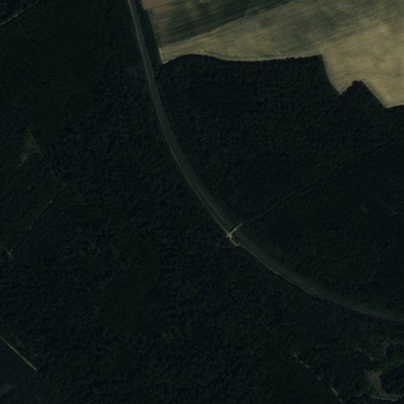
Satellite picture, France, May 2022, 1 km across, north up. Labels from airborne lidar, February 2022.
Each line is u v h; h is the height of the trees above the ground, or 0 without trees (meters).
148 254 13
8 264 27
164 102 16
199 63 21
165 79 19
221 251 21
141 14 14
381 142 14
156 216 24
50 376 25
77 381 27
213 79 17
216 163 24
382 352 24
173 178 24
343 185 16
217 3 0
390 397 0
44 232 12
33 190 12
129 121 29
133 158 28
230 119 18
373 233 17
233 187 17
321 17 0
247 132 22
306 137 18
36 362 8
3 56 9
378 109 20
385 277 17
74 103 11
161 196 24
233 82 16
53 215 12
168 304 14
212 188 21
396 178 14
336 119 24
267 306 28
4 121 13
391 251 14
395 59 0
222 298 24
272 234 17
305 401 10
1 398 0
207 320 19
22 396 18
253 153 21
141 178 32
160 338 28
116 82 26
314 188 16
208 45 0
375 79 0
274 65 19
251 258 18
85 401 28
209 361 24
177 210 27
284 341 26
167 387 31
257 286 26
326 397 8
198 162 19
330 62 0
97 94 28
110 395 29
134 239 6
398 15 0
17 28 8
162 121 0
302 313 13
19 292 29
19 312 28
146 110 20
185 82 22
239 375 26
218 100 18
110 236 26
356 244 23
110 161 31
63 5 13
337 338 22
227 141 22
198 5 0
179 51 0
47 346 28
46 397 6
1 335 12
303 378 9
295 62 23
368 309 0
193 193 19
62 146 28
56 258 25
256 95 20
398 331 15
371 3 0
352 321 15
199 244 24
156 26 0
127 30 14
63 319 28
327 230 19
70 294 25
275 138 23
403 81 0
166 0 0
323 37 0
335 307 16
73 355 26
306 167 18
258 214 20
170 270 29
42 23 7
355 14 0
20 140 13
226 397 27
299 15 0
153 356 27
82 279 8
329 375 29
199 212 22
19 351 15
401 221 16
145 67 0
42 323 30
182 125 13
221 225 0
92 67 19
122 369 7
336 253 24
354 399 21
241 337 26
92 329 25
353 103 22
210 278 28
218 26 0
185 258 26
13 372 19
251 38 0
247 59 0
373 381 0
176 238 22
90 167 30
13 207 13
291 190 17
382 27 0
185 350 26
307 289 0
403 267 15
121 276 26
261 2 0
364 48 0
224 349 27
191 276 27
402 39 0
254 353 28
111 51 11
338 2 0
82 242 26
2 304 30
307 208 11
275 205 12
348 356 27
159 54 0
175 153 0
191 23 0
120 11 14
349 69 0
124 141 26
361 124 20
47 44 10
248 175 18
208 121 23
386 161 17
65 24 10
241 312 26
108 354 28
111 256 30
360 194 16
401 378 30
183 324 25
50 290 25
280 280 18
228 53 0
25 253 11
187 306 27
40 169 18
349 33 0
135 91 19
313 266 21
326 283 7
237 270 28
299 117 22
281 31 0
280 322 26
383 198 21
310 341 26
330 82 0
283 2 0
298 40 0
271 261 0
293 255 22
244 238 0
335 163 20
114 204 13
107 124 31
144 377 29
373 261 14
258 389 15
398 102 0
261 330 26
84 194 29
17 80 9
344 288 18
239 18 0
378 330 13
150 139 15
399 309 9
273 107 28
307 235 23
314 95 27
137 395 33
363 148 18
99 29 11
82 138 18
